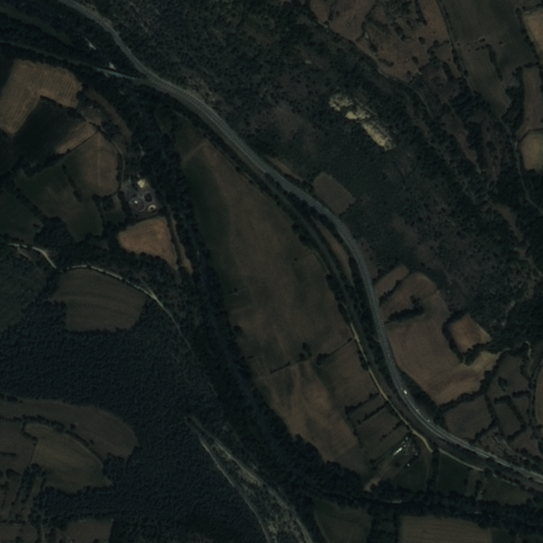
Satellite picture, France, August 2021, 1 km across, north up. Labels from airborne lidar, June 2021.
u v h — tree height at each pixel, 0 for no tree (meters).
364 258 0
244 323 0
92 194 0
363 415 0
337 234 6
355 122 9
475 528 0
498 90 0
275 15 9
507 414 0
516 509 12
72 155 0
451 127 0
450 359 0
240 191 0
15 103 0
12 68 0
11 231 0
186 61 6
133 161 8
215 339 31
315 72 8
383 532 7
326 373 0
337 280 7
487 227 11
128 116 12
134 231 0
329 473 11
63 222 11
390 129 12
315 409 0
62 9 13
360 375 0
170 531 16
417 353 0
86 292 0
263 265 0
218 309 31
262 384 0
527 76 0
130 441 0
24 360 20
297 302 0
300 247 0
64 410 0
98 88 13
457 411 0
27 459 0
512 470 12
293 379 0
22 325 9
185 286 7
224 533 13
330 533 0
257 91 6
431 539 0
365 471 0
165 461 12
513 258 9
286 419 0
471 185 6
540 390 0
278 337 0
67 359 18
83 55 18
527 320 9
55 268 6
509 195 10
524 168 8
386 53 0
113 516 13
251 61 12
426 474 0
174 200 20
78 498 10
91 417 0
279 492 7
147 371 12
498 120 7
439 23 0
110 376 17
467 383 0
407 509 18
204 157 0
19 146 0
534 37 0
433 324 0
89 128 0
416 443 11
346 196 0
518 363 0
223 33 6
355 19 0
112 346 14
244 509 8
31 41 24
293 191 0
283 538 7
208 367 12
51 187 0
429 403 8
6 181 18
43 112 0
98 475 0
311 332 0
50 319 11
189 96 0
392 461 0
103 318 0
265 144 8
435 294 0
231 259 0
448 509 31
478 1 0
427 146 10
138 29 11
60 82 0
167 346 10
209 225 0
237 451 7
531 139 0
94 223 0
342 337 0
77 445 0
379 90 6
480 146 11
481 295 7
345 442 0
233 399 24
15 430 0
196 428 7
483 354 0
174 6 8
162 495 10
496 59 10
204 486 14
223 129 0
